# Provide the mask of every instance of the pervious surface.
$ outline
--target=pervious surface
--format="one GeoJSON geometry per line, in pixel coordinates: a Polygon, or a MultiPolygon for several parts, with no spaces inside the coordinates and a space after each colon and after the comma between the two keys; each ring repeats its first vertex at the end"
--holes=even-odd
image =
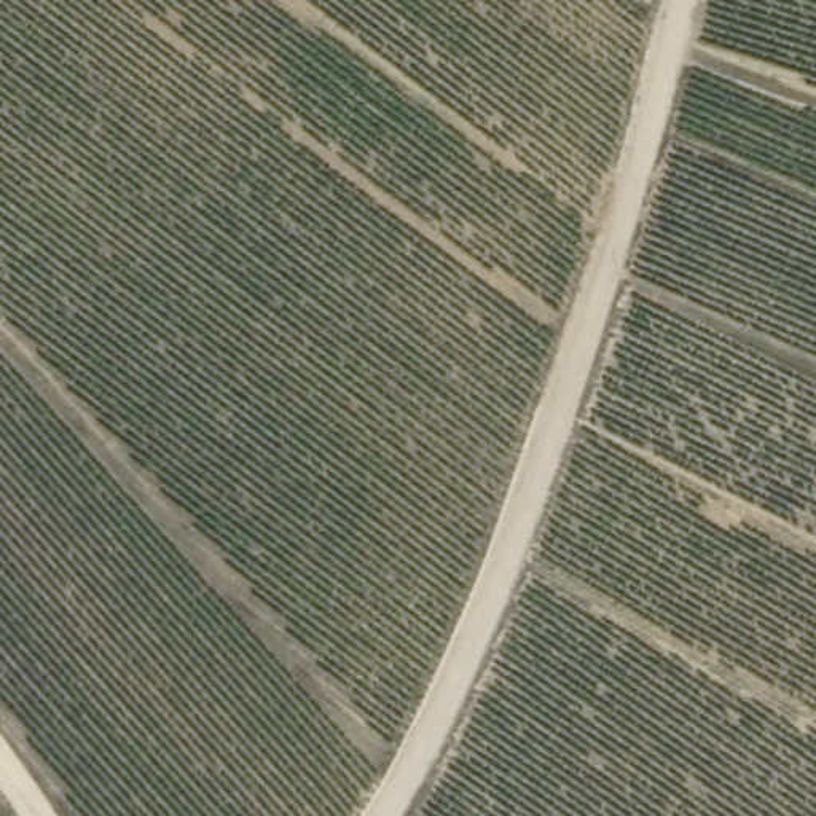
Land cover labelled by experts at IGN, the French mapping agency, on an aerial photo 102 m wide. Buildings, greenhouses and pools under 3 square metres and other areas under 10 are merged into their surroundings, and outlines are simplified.
{"type": "Polygon", "coordinates": [[[38,784],[22,768],[22,762],[6,746],[6,740],[0,736],[0,816],[57,816],[38,791],[38,784]]]}
{"type": "Polygon", "coordinates": [[[606,220],[606,230],[593,239],[590,258],[580,271],[571,319],[558,338],[555,360],[545,376],[542,398],[526,427],[520,459],[510,475],[507,497],[500,504],[478,577],[469,590],[469,599],[453,625],[443,657],[424,689],[424,698],[398,743],[389,771],[373,784],[367,803],[354,816],[405,816],[472,685],[472,676],[497,628],[497,618],[510,602],[523,561],[529,561],[539,548],[536,526],[551,494],[551,481],[564,459],[564,449],[571,443],[577,402],[593,367],[593,354],[612,306],[612,293],[622,274],[628,271],[625,261],[634,226],[644,217],[644,194],[653,172],[657,147],[673,112],[689,41],[701,35],[708,0],[663,0],[653,16],[644,64],[638,70],[631,121],[625,128],[618,159],[615,166],[609,166],[615,172],[615,204],[606,220]]]}

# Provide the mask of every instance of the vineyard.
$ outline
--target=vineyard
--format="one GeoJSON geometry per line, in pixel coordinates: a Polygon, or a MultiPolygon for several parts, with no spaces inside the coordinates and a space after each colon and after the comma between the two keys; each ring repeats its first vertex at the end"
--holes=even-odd
{"type": "Polygon", "coordinates": [[[615,166],[618,159],[625,128],[631,121],[638,70],[644,64],[653,16],[663,0],[0,0],[0,736],[6,740],[6,746],[22,762],[22,768],[38,784],[38,791],[57,816],[354,816],[367,803],[373,784],[389,771],[398,743],[424,698],[424,689],[443,657],[453,625],[469,599],[469,590],[478,577],[500,504],[507,497],[510,475],[520,459],[526,427],[542,398],[545,376],[555,360],[558,338],[571,319],[580,271],[590,258],[593,239],[606,230],[606,220],[615,204],[615,172],[609,166],[615,166]]]}
{"type": "Polygon", "coordinates": [[[539,548],[529,561],[523,561],[510,602],[497,618],[497,628],[472,676],[472,685],[405,816],[816,816],[816,0],[708,0],[701,35],[689,41],[673,112],[657,147],[653,172],[644,194],[644,217],[634,226],[625,261],[628,271],[622,274],[612,293],[612,306],[593,354],[593,367],[577,402],[571,443],[564,449],[564,459],[551,481],[551,494],[536,526],[539,548]]]}

